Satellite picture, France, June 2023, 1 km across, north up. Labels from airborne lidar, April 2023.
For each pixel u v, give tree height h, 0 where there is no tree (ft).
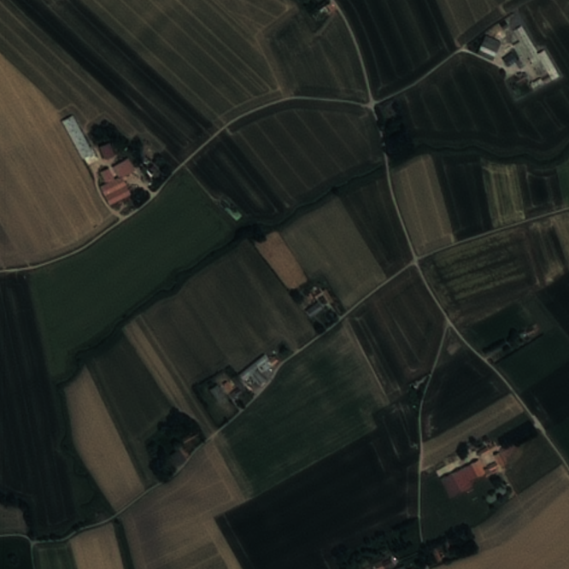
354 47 0
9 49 0
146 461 0
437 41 0
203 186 0
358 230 0
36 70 0
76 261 0
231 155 0
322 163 0
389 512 0
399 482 0
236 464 0
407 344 0
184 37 0
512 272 0
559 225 0
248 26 0
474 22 0
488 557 0
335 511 0
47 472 0
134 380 0
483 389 0
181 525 0
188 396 0
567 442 0
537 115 0
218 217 0
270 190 0
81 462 0
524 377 0
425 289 0
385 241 0
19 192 0
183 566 0
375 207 0
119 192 0
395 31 0
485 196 0
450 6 0
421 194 0
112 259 0
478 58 0
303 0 37
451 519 0
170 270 0
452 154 0
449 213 0
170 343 0
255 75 0
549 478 0
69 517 0
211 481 0
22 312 0
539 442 0
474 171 0
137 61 0
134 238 0
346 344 0
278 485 0
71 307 0
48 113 0
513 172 0
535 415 0
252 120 0
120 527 0
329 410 0
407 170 0
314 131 0
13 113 0
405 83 0
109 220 0
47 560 0
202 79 0
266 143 0
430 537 0
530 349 0
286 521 0
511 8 0
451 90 0
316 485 0
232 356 0
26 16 0
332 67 0
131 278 0
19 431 0
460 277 0
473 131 0
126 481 0
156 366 0
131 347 0
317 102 0
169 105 0
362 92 0
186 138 0
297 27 0
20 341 0
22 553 0
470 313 0
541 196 0
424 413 0
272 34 0
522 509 0
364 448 0
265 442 0
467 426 0
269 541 0
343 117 0
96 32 0
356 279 0
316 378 0
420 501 0
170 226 0
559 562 0
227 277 0
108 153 0
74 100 0
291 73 0
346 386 0
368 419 0
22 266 0
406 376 0
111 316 0
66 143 0
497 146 0
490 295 0
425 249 0
